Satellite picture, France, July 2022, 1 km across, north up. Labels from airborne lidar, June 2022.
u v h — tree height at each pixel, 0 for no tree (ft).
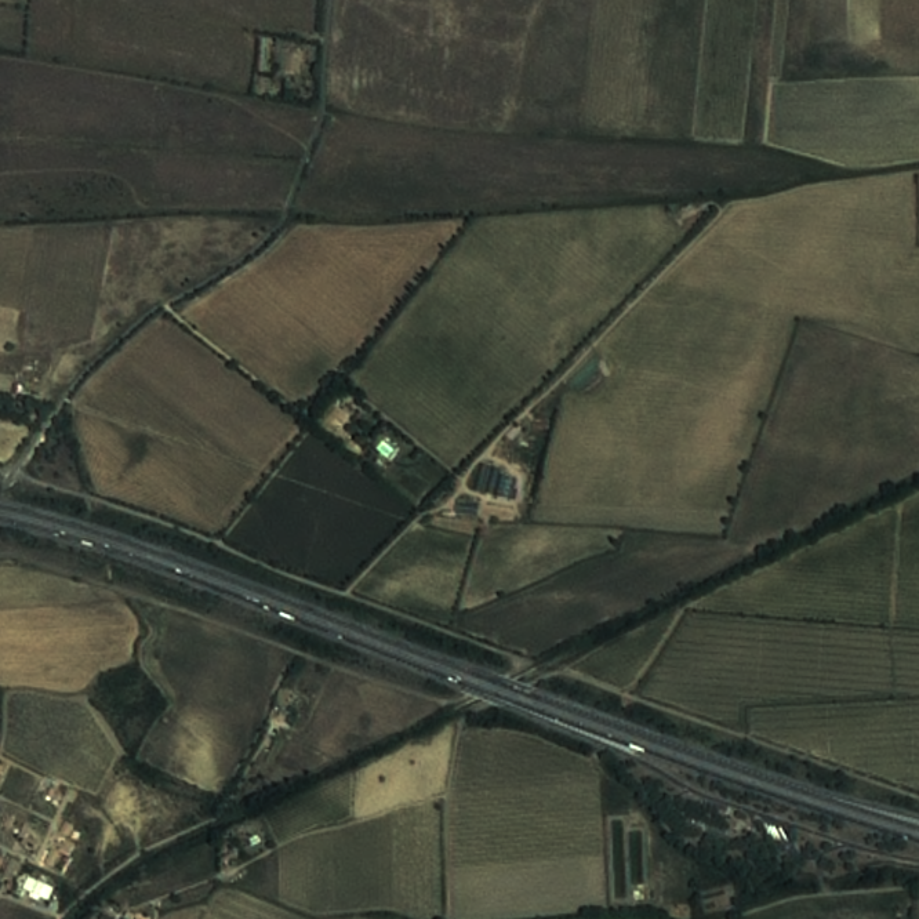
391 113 0
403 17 0
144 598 0
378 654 0
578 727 0
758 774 0
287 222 0
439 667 0
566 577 0
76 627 0
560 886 0
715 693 0
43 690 0
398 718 0
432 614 0
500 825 0
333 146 0
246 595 0
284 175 0
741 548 0
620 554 0
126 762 23
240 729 0
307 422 66
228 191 0
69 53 0
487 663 24
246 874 0
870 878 59
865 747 0
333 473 0
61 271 0
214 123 0
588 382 0
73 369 0
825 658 0
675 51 0
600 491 0
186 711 0
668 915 52
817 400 0
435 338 0
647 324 0
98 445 0
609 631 39
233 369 48
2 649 0
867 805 0
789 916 0
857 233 0
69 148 0
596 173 0
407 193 0
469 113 0
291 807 0
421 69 0
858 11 0
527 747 0
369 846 0
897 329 0
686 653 0
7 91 0
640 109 0
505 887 0
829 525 53
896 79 0
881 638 0
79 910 24
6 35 0
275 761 0
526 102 0
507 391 0
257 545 0
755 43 0
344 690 0
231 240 0
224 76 0
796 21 0
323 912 0
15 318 0
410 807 0
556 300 0
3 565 0
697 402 0
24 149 0
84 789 0
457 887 0
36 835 0
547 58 0
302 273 0
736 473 0
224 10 0
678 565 0
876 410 0
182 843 20
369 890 0
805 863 29
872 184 0
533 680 0
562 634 0
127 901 0
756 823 25
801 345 0
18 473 0
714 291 0
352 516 0
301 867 0
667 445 0
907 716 0
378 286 0
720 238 0
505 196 0
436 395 0
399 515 0
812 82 0
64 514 24
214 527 0
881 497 20
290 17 0
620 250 0
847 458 0
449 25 0
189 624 0
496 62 0
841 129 0
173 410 0
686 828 37
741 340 0
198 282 0
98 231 0
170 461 0
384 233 0
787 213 0
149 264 0
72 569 0
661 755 0
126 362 0
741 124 0
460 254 0
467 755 0
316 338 0
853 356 0
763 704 0
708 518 0
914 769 0
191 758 0
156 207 0
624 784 44
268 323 0
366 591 0
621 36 0
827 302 0
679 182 0
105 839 0
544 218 0
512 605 0
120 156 0
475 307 0
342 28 0
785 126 0
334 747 0
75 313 0
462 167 0
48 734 0
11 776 0
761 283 0
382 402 0
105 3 0
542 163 0
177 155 0
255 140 0
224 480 0
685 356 0
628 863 0
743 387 0
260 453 0
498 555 0
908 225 0
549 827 0
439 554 0
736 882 27
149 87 0
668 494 0
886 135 0
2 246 0
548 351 0
